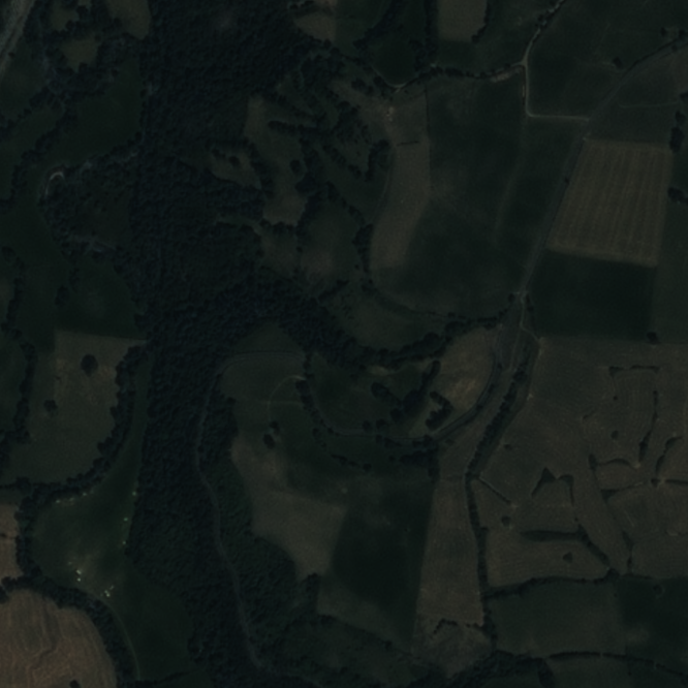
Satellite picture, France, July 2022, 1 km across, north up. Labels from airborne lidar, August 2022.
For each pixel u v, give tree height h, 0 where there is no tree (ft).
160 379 56
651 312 0
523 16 0
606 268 0
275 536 0
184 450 45
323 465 0
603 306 0
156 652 0
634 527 0
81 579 0
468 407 0
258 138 0
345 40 0
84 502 0
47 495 39
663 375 0
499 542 0
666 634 0
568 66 0
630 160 0
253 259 24
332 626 48
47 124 0
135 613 0
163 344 41
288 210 0
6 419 0
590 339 0
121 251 46
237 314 43
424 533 0
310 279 0
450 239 0
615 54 0
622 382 0
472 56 0
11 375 0
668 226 0
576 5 0
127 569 0
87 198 36
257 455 0
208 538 70
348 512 0
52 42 66
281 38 34
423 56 73
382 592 0
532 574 0
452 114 0
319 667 45
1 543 0
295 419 0
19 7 0
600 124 0
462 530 0
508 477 0
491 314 0
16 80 0
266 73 32
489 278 0
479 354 0
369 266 29
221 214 28
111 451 42
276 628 27
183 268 39
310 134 62
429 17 52
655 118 0
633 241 0
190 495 56
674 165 0
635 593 0
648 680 0
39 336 0
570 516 0
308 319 80
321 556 0
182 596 54
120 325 0
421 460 64
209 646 48
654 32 0
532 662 56
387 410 0
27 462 0
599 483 0
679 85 0
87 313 0
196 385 40
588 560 0
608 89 0
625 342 0
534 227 0
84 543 0
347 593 0
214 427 25
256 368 0
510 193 0
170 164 75
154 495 53
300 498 0
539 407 0
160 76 22
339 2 0
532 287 0
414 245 0
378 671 0
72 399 0
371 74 50
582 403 0
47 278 0
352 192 0
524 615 0
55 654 0
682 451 0
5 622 0
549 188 0
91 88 56
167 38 63
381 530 0
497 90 0
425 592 0
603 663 0
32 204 0
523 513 0
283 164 0
